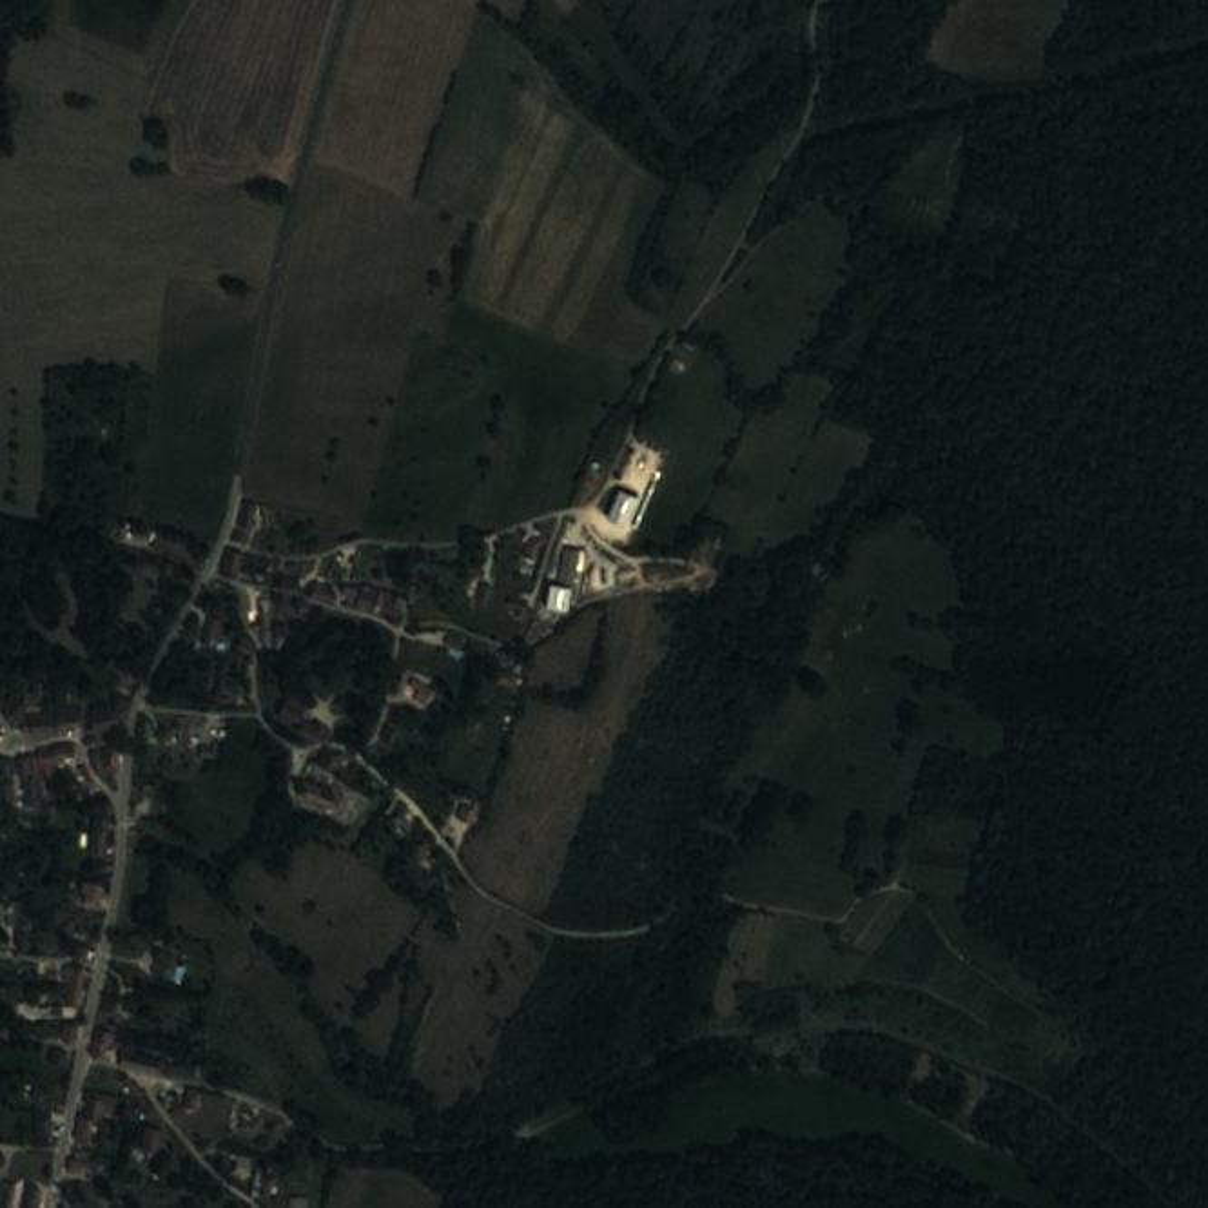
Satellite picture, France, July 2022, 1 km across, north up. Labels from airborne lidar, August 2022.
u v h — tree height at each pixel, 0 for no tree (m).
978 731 0
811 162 9
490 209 0
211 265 0
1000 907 17
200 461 0
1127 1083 15
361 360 0
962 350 18
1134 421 19
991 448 15
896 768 0
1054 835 21
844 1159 28
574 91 7
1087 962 18
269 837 17
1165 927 20
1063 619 20
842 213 9
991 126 21
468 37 0
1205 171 19
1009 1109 8
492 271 0
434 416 0
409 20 0
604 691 0
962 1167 0
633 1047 6
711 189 14
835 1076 14
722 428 0
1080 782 21
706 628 17
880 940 0
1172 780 18
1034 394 18
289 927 0
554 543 0
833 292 0
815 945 0
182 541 9
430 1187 14
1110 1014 11
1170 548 17
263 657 12
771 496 0
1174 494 17
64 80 0
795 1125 0
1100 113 16
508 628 0
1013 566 17
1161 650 18
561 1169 21
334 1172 10
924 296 20
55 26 0
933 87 13
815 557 14
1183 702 18
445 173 0
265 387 0
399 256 0
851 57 6
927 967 0
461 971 0
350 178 0
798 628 20
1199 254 18
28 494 0
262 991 0
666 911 13
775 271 0
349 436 0
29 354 0
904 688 0
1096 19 17
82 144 0
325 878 0
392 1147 19
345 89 0
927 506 17
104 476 0
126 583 19
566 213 0
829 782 0
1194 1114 12
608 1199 28
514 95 0
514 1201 19
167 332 0
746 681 14
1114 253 17
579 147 0
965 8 0
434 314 0
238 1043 0
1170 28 15
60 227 0
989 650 16
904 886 6
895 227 0
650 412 9
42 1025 6
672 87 8
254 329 0
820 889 0
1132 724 19
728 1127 0
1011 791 19
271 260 0
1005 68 0
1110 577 17
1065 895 18
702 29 0
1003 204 14
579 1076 13
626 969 10
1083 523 17
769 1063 15
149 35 0
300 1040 0
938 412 17
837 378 10
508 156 0
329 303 0
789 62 7
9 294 0
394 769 11
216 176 0
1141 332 19
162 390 0
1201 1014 17
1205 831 14
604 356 0
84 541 25
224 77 0
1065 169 23
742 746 17
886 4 13
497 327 0
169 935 16
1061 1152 25
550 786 0
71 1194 22
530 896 0
